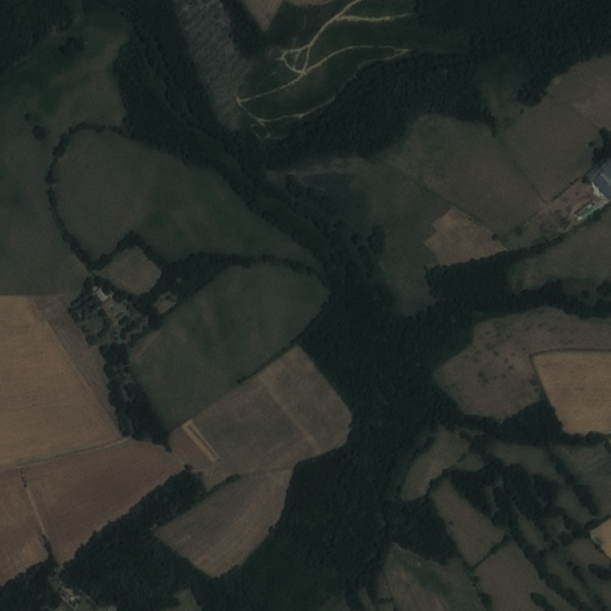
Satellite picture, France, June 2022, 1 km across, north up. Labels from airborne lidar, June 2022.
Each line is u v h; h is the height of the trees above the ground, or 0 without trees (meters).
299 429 0
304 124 7
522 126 0
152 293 12
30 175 0
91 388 0
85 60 0
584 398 0
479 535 0
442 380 0
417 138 0
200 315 0
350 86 21
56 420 0
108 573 13
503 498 21
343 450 6
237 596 14
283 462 0
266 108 0
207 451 0
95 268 11
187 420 0
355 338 12
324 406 0
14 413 0
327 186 0
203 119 15
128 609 15
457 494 0
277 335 0
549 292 22
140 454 0
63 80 0
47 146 0
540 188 0
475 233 0
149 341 0
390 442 17
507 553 0
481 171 0
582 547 0
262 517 0
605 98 0
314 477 11
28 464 0
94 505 0
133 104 13
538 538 0
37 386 0
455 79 15
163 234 0
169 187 0
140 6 11
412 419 19
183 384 0
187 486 17
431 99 13
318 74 0
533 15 18
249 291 0
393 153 0
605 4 9
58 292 0
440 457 0
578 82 0
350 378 15
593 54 14
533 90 15
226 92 0
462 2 11
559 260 0
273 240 0
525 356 0
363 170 0
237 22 12
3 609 18
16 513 0
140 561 10
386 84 13
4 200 0
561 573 0
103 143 0
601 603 15
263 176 14
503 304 25
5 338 0
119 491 0
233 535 0
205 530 0
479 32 14
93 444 0
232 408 0
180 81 11
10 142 0
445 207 0
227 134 13
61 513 0
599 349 0
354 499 18
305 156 7
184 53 14
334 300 16
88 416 0
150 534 15
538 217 0
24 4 17
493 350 0
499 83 0
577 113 0
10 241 0
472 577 7
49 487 0
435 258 0
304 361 0
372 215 0
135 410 19
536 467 0
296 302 0
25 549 0
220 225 0
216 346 0
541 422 20
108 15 0
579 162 0
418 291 0
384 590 0
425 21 22
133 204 0
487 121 8
